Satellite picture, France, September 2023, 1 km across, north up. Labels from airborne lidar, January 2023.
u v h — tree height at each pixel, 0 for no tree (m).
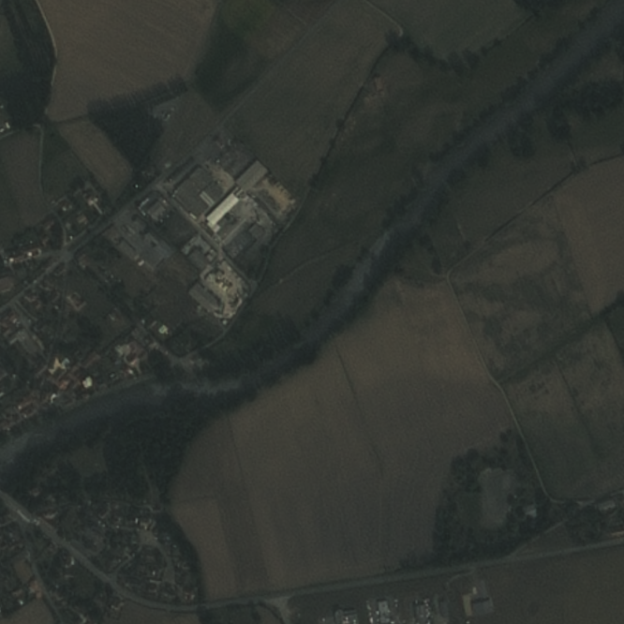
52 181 0
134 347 0
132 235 0
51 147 0
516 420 0
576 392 0
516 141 17
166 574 0
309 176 0
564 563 0
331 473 0
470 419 0
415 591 0
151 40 0
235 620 0
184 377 15
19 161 0
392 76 0
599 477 0
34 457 16
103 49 0
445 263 0
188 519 0
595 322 0
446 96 0
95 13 0
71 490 11
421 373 0
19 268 6
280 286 0
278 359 0
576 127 0
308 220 0
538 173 0
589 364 0
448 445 0
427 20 0
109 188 0
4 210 0
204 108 0
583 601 0
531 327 0
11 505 0
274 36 0
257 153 0
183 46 0
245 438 0
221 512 0
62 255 0
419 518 0
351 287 0
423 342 0
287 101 0
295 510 0
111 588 8
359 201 0
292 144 0
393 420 0
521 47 0
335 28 0
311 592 0
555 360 0
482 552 14
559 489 0
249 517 0
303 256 0
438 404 0
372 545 0
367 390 0
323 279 0
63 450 19
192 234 0
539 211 0
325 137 0
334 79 0
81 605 11
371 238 0
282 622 9
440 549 13
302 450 0
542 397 0
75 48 0
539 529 10
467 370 0
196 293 0
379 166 0
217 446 0
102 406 0
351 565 0
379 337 0
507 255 0
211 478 0
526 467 14
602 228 0
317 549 0
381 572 0
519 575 0
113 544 6
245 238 0
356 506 0
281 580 0
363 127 0
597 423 0
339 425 0
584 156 0
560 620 0
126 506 0
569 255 0
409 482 0
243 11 0
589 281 0
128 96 0
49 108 0
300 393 0
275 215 0
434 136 0
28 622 0
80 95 0
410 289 0
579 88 0
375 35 0
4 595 6
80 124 0
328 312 0
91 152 0
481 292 0
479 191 0
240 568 0
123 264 0
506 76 0
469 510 0
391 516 0
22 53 9
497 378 0
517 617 0
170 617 0
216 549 0
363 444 0
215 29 0
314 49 0
